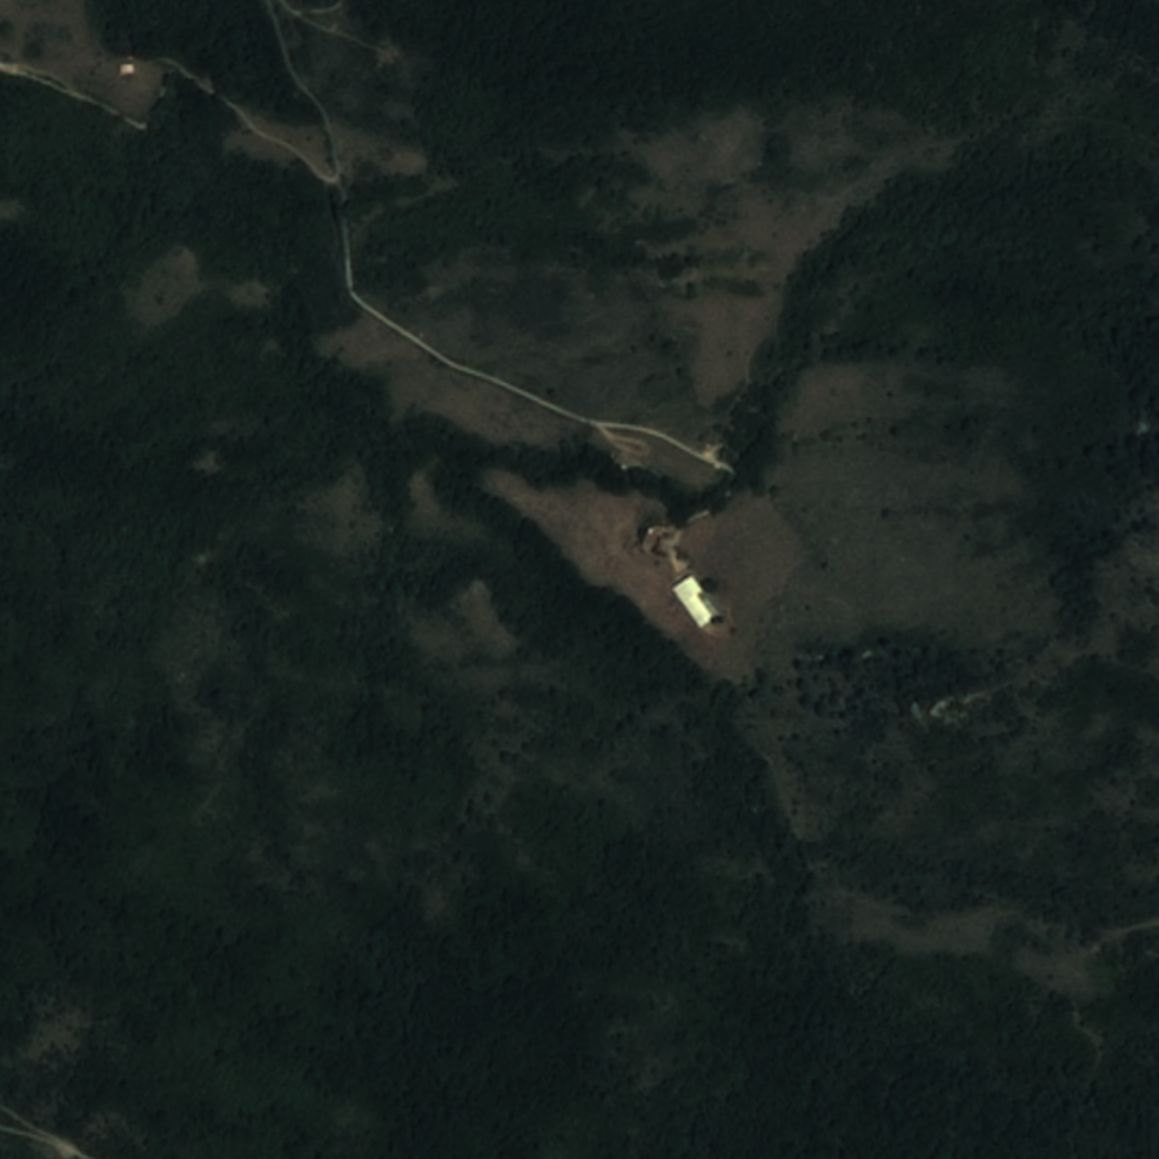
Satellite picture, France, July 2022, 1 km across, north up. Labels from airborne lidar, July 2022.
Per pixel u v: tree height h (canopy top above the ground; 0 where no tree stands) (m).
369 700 12
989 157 6
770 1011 14
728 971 6
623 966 6
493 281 0
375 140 0
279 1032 11
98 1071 8
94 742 8
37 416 12
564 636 6
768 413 19
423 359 0
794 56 8
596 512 0
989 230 6
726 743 9
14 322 13
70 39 0
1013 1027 7
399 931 7
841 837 13
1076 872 6
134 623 6
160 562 8
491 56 10
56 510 8
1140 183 8
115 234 9
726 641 0
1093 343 11
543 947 9
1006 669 6
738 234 0
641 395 0
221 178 12
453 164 7
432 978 12
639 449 0
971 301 8
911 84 8
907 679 7
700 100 7
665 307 0
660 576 0
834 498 0
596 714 8
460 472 6
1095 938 8
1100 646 0
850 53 12
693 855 10
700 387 0
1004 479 0
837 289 6
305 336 6
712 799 10
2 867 8
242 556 7
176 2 12
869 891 8
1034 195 9
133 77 0
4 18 0
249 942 9
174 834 0
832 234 9
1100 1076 6
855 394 0
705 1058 12
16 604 15
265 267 12
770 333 0
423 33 10
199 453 8
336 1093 8
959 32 9
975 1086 14
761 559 0
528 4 12
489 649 0
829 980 16
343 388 12
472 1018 20
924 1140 14
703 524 0
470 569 12
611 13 7
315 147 0
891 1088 8
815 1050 9
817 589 0
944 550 0
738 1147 17
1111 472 11
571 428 0
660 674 6
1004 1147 6
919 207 8
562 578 9
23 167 7
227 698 10
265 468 6
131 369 7
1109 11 7
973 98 11
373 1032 10
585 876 5
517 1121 10
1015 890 7
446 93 7
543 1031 14
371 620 6
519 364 0
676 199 0
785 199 0
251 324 9
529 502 0
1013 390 0
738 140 0
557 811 8
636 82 11
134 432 10
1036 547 0
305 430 10
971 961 8
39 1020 9
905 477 0
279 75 7
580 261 6
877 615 0
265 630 8
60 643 9
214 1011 6
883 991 10
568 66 9
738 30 14
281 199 12
